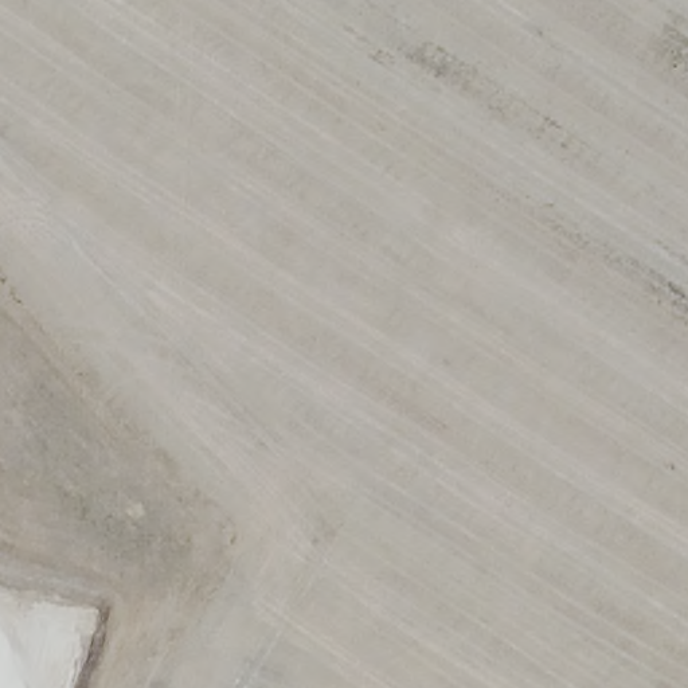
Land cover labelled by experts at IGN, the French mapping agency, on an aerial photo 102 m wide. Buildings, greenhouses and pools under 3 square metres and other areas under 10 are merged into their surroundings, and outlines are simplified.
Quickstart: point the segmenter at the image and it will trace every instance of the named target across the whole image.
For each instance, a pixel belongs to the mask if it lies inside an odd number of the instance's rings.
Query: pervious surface
[[[62,607],[48,602],[30,605],[16,591],[0,589],[0,688],[94,688],[110,640],[110,602],[99,599],[97,607]]]

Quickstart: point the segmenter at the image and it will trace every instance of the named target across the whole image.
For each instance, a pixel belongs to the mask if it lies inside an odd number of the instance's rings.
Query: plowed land
[[[48,602],[62,607],[97,607],[99,599],[110,602],[110,640],[94,688],[688,688],[688,0],[0,0],[0,589],[16,591],[30,605]]]

